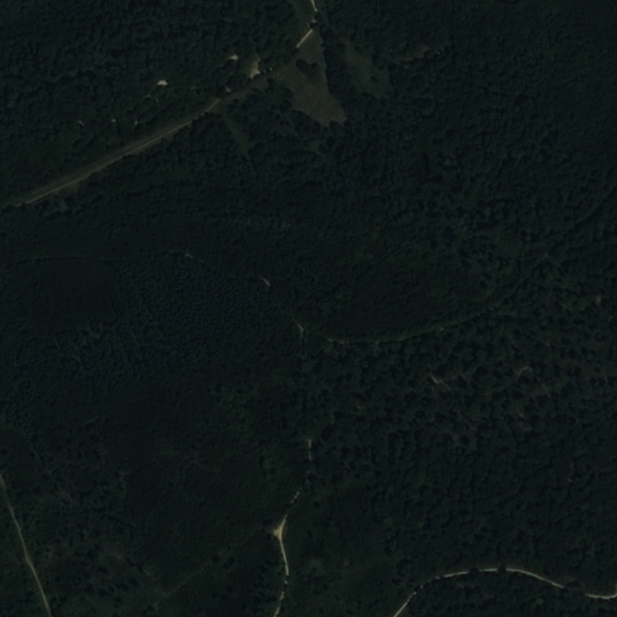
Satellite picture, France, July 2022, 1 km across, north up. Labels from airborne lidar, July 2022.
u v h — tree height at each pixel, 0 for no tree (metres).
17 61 21
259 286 25
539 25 18
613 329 22
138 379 24
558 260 23
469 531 21
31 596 19
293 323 13
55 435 17
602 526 21
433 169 28
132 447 5
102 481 7
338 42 8
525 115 27
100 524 7
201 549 7
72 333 26
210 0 34
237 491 7
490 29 27
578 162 21
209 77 15
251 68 0
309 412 28
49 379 19
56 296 15
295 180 21
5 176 25
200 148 7
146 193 18
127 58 25
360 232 17
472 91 31
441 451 33
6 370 21
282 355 7
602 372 17
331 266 18
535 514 20
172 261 18
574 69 12
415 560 22
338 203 21
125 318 27
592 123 16
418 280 10
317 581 8
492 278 24
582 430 20
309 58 0
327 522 9
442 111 30
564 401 26
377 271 10
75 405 18
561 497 32
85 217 21
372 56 0
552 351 22
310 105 0
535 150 27
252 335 21
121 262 15
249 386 9
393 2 24
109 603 23
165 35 27
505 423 22
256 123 23
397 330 11
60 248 12
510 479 26
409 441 23
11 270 13
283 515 9
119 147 7
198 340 27
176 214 22
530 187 22
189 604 6
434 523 24
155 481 12
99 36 22
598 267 28
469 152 33
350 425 28
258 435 6
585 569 23
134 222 17
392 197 29
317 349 7
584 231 27
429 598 21
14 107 20
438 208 25
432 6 21
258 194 21
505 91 20
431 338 27
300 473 8
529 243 24
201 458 6
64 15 24
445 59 16
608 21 16
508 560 21
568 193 20
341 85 26
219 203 20
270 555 5
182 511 7
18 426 20
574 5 17
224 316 25
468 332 23
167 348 22
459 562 23
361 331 6
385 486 25
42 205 8
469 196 28
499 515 28
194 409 8
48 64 27
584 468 23
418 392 27
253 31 22
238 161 29
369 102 17
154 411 10
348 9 12
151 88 14
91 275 13
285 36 18
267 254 19
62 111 30
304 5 0
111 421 15
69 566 6
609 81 13
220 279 25
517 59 16
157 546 9
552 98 19
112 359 19
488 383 30
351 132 14
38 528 7
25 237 16
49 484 7
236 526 6
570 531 21
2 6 17
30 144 21
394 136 27
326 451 23
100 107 27
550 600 23
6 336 22
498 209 22
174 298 24
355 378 24
